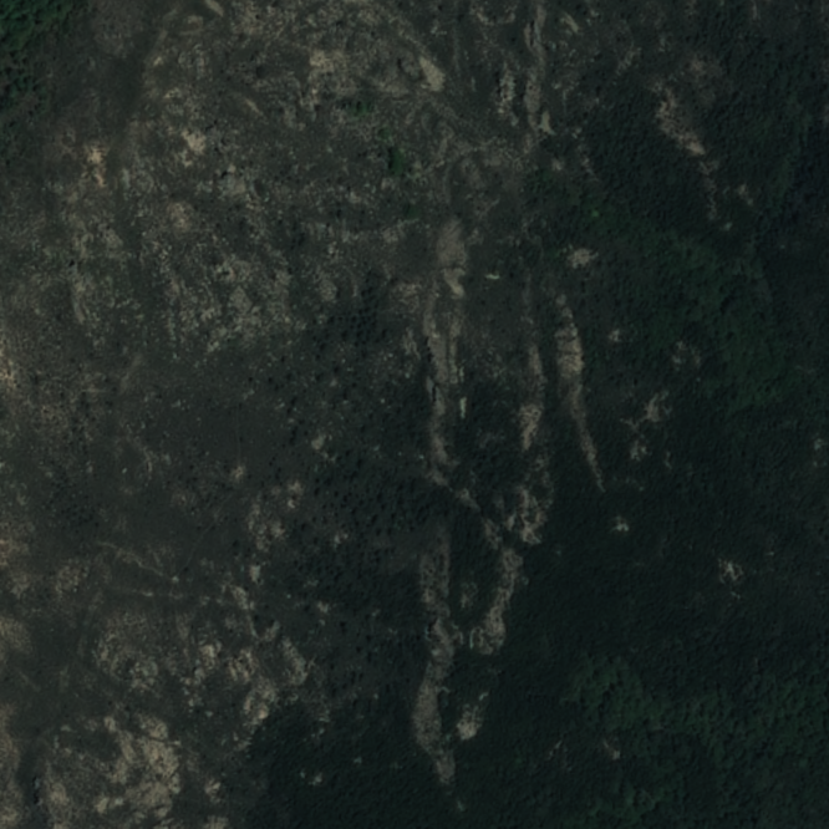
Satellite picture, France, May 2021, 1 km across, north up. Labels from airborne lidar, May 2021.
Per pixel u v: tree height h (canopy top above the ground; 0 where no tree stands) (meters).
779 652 7
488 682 11
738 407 17
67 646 0
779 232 9
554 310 8
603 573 12
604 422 6
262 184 7
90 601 0
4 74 14
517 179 0
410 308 0
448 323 0
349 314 9
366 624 8
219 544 0
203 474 0
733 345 26
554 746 9
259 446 0
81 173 0
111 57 0
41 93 8
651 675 12
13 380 0
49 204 0
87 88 0
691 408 8
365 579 20
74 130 0
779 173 16
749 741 17
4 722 0
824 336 7
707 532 9
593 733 16
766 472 15
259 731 9
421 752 12
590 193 12
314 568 17
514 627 10
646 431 10
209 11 0
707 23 11
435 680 10
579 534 11
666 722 21
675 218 16
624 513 7
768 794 12
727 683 16
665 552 10
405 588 7
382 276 9
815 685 20
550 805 15
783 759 14
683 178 9
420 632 7
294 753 9
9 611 0
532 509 8
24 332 0
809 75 12
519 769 8
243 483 0
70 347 0
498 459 16
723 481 10
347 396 16
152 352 0
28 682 0
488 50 0
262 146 0
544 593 19
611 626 11
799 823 6
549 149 9
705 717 20
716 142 8
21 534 0
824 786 8
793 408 9
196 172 0
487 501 11
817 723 21
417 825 8
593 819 14
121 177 0
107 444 0
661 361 7
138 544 0
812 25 7
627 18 12
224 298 7
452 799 9
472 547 17
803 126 15
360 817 11
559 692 18
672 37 7
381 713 13
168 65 0
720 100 8
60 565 0
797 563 9
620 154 10
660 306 12
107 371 0
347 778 8
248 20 8
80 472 0
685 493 10
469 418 6
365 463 22
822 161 9
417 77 6
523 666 16
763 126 5
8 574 0
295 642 11
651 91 6
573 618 17
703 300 18
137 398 0
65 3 10
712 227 10
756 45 19
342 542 6
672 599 8
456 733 8
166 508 0
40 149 0
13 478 0
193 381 0
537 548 12
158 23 0
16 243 0
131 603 0
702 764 16
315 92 0
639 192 17
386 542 0
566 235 10
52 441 0
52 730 0
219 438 0
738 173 7
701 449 9
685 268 20
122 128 0
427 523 16
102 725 0
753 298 19
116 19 0
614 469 15
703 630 9
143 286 0
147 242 0
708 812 16
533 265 10
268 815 8
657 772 20
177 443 0
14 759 0
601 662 22
